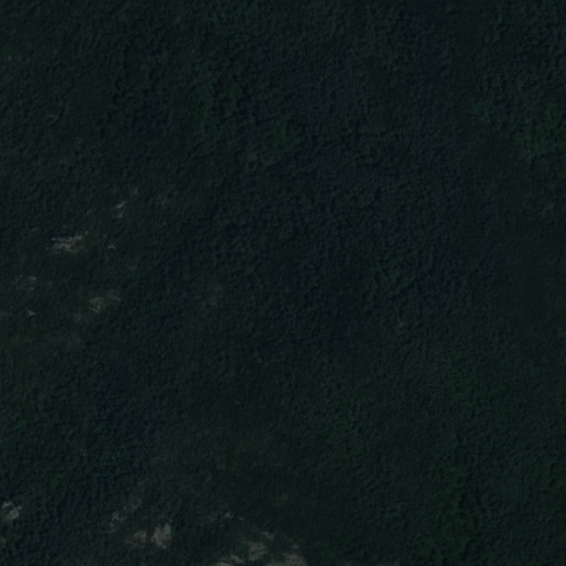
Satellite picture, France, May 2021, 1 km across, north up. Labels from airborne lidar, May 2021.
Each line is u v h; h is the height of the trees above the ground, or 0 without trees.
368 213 27
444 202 6
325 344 18
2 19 17
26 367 14
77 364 12
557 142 26
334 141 24
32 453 14
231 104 34
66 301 11
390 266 29
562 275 14
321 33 21
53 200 13
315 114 25
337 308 15
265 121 25
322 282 25
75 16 11
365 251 20
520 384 15
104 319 14
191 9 9
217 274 7
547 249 14
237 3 19
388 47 33
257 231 29
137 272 8
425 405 20
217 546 16
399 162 18
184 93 13
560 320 8
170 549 15
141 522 8
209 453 17
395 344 18
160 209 16
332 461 20
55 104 18
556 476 6
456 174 20
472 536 22
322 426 23
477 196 6
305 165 28
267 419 22
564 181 13
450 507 16
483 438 14
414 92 17
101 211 10
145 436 10
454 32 10
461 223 11
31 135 21
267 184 22
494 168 15
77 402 13
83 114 11
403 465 14
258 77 26
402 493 16
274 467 19
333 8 28
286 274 12
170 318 18
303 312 24
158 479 15
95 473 20
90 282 11
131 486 17
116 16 26
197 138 26
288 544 6
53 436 11
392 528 19
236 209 29
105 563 15
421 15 14
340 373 28
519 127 18
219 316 16
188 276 20
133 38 24
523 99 28
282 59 21
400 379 12
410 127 21
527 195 16
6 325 18
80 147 12
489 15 12
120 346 11
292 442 19
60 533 26
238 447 9
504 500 11
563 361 14
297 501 11
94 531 10
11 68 12
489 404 17
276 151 23
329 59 26
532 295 11
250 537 7
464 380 19
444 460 16
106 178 11
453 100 11
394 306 28
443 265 22
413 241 25
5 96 24
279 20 22
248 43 26
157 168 7
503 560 10
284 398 23
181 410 11
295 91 22
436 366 21
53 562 16
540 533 14
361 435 27
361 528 20
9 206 20
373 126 27
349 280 17
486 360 13
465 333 15
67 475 13
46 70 16
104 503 9
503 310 8
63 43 15
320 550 17
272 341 13
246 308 22
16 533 11
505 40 19
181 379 8
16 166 19
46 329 11
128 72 12
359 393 19
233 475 15
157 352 15
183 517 16
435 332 18
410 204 20
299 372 16
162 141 11
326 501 15
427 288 25
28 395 14
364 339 16
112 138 20
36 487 12
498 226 10
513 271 7
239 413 16
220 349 14
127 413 12
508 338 16
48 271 11
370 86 19
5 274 14
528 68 27
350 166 23
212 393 14
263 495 16
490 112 22
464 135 14
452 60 15
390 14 27
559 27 26
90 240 11
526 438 10
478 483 13
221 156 16
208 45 22
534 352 15
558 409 15
